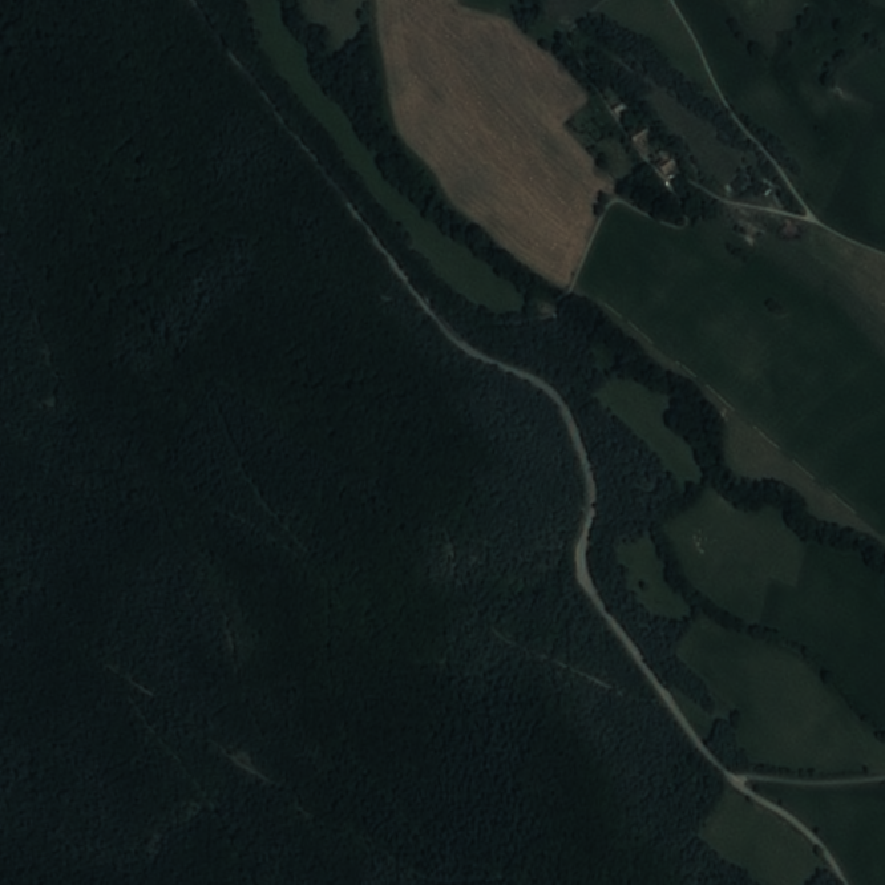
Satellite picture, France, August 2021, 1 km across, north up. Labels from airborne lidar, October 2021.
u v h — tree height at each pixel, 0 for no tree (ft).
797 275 0
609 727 36
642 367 78
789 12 0
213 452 44
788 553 0
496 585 41
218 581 30
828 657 0
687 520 0
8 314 33
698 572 0
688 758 48
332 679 51
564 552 26
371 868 48
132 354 84
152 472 50
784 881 0
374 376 77
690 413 62
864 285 0
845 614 0
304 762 66
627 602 50
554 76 0
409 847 63
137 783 50
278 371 77
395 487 57
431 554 48
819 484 0
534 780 63
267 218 71
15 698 68
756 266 0
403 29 0
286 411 70
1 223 46
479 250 61
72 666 63
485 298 0
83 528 44
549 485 38
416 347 47
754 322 0
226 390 51
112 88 70
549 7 0
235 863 51
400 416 60
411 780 54
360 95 72
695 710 0
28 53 69
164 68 76
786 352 0
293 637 51
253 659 33
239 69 58
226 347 76
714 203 26
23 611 45
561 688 42
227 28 72
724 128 36
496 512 39
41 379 32
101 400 67
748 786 0
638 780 38
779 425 0
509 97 0
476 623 28
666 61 29
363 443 67
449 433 67
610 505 35
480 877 56
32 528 36
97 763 48
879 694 0
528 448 32
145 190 75
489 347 50
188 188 66
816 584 0
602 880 84
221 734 26
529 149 0
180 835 39
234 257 86
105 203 88
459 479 44
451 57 0
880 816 0
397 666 54
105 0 70
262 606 55
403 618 67
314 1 0
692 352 0
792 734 0
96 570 52
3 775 39
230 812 46
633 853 45
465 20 0
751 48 38
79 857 30
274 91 74
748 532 0
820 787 0
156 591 36
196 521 39
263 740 33
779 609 0
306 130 72
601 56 30
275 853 46
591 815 78
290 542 45
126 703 44
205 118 73
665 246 0
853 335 0
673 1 0
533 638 46
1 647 50
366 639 50
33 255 52
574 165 0
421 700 63
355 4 0
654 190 31
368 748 58
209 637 41
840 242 0
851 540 57
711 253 0
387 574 63
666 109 0
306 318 74
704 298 0
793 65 0
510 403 24
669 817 54
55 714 54
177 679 42
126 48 62
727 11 0
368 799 43
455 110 0
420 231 0
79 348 59
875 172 0
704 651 0
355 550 79
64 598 52
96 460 57
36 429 34
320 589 44
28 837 42
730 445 0
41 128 81
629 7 0
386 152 56
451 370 46
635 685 33
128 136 82
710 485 35
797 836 0
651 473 40
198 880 78
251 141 84
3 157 44
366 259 53
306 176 69
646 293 0
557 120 0
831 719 0
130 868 44
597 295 0
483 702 45
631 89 51
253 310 66
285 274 53
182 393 63
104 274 80
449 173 0
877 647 0
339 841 37
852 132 0
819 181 0
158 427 72
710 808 49
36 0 71
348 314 63
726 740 51
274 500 54
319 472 67
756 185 28
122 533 62
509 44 0
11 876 78
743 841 0
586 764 57
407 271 54
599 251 0
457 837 64
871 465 0
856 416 0
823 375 0
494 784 51
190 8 65
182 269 68
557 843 79
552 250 0
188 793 26
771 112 0
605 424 41
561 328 35
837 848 0
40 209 64
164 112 63
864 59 0
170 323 93
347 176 68
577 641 41
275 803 66
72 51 68
